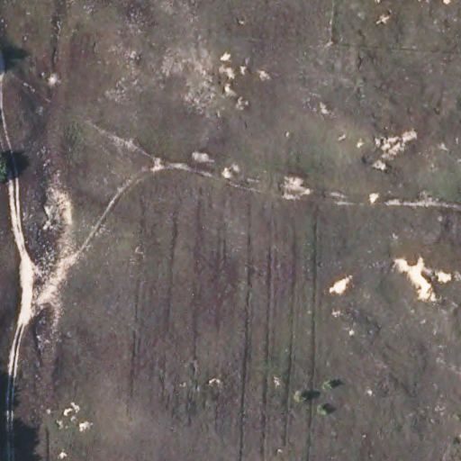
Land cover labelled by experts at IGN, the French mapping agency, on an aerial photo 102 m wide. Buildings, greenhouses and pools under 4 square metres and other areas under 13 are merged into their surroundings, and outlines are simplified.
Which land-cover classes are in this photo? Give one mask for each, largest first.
<instances>
[{"label":"herbaceous vegetation","instance_id":"1","mask_svg":"<svg viewBox=\"0 0 461 461\"><path fill-rule=\"evenodd\" d=\"M167 47L194 49L196 59L202 58L203 49H207L209 54H229L230 68L234 72L230 85L232 95L225 101V112L221 113V117L211 113V117L205 119V115L198 113L196 106L184 99L171 103L175 79L162 72ZM405 131H416V139L409 140L405 149L398 151L393 157H382V148H376L375 139L396 137L403 135ZM292 176L301 178V184L310 189V194H304L299 200H285V184ZM14 178L20 180V223L25 250L34 265L40 263L45 252L58 249V241L63 230L43 229L47 216L45 207L50 196L52 191H61L70 198L74 218L72 241L77 261L68 267L67 277L58 286V295L61 299L58 331L50 330L52 308L49 304H43L40 310L32 313L31 321L23 333L18 373L13 376L7 373L13 333L22 310V259L14 240L13 221L9 209V182ZM432 198L438 202L461 205V0H0V461H461V281H443L432 290L441 308L456 303V310L450 315V319L452 330L456 331V339L447 340L443 333L434 335L429 328L420 324L418 317L405 310L400 301V288L385 276L384 267L391 268L396 259H405L414 267L418 259H423L425 267L436 268L438 272H445L448 276L452 272H461V211L445 207H405V202ZM104 378H110L115 382L117 398L128 394L126 403L142 409L149 414L151 420L157 421V425H164L162 439H142L139 434H133L122 445H115L99 438L83 443L79 423L94 416L95 405L101 403V398H97V387Z\"/></svg>","mask_w":461,"mask_h":461},{"label":"bare soil","instance_id":"2","mask_svg":"<svg viewBox=\"0 0 461 461\"><path fill-rule=\"evenodd\" d=\"M229 54H209L207 49H203L202 58L196 59L194 49L167 47L162 72L175 79L171 103L184 99L196 106L198 113L205 115V119L211 117V113L221 117V113L225 112V101L232 95L230 85L234 72L230 68ZM416 139V131H405L403 135L396 137L375 139L376 148H382V157H393L398 151L405 149L409 140ZM304 194H310V189L301 184V178L292 176L285 184V200H299ZM47 216L43 229L63 230V209L59 207L58 200L50 196L45 207ZM385 276L400 288V301L405 310L418 317L420 324L429 328L434 335L443 333L447 340L456 339V331L452 330L450 319V315L456 310V303L441 308L432 290L443 281H461V272H452L448 276L445 272H438L436 268L425 267L423 259H418L414 267L405 259H396L391 268L384 267ZM97 398H101V403L95 405L94 416L79 423L83 443L99 438L115 445H122L133 434H139L142 439H162L164 425H157V421L151 420L149 414L142 409L126 403L128 394L117 398L115 382L110 378H104L97 387Z\"/></svg>","mask_w":461,"mask_h":461},{"label":"pervious surface","instance_id":"3","mask_svg":"<svg viewBox=\"0 0 461 461\"><path fill-rule=\"evenodd\" d=\"M50 196L58 200L59 207L63 209V230L58 241V249L45 252L40 263L34 265L25 250L20 223V180L14 178L9 182V209L13 221L14 240L22 259V310L13 333L7 373L13 376L18 373L23 333L31 321L32 313L40 310L43 304H49L52 308L50 330L58 331L61 299L58 295V286L67 277L68 267L77 261L72 241L74 218L70 198L61 191H52ZM405 207H445L461 211V205L438 202L432 198L405 202Z\"/></svg>","mask_w":461,"mask_h":461}]
</instances>
